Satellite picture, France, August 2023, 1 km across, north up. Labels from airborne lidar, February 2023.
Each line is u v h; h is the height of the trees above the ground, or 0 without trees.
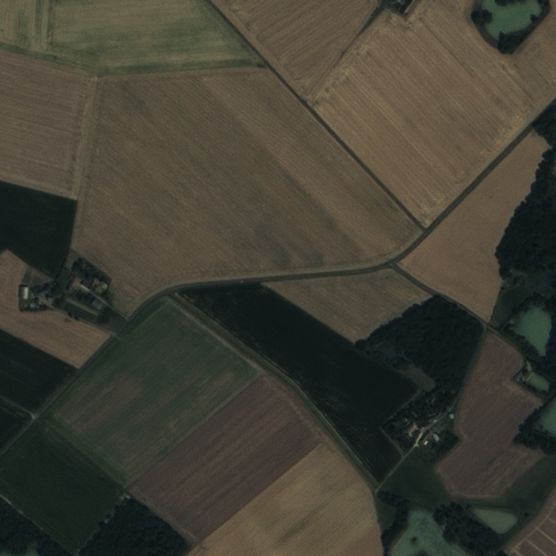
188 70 0
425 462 0
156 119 0
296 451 0
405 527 15
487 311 0
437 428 0
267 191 0
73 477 0
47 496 0
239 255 0
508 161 0
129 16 0
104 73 0
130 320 0
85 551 13
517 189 0
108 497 0
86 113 0
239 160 0
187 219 0
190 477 0
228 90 0
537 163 0
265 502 0
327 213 0
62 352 0
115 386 0
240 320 0
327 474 0
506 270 13
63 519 0
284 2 0
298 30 0
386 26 0
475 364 0
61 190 0
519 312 11
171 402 0
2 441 0
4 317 0
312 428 0
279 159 0
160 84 0
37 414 0
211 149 0
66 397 0
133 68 0
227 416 0
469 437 0
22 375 0
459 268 0
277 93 0
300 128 0
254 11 0
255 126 0
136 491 0
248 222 0
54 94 0
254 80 0
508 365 0
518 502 0
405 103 0
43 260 0
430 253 0
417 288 0
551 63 0
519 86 0
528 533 0
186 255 0
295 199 0
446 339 19
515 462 0
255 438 0
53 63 0
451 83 0
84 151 0
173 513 0
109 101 0
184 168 0
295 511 0
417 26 0
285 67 0
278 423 0
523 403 0
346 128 0
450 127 0
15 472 0
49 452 0
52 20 0
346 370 0
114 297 0
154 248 0
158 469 0
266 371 0
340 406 0
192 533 0
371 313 0
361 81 0
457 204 0
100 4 0
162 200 0
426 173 0
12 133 0
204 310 0
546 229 22
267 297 0
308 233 0
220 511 0
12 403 0
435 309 16
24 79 0
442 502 0
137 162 0
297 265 0
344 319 0
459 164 0
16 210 0
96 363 0
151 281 0
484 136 0
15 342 0
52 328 0
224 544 0
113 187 0
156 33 0
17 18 0
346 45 0
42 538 15
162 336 0
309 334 0
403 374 0
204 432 0
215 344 0
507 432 0
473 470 0
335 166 0
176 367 0
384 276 0
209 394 0
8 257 0
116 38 0
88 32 0
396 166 0
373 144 0
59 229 0
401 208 0
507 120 0
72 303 0
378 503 0
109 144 0
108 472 0
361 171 0
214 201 0
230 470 0
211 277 0
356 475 0
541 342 0
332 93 0
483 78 0
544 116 10
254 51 0
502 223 0
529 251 8
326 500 0
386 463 0
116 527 19
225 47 0
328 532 0
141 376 0
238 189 0
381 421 0
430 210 0
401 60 0
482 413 0
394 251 0
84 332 0
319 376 0
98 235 0
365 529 0
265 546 0
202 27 0
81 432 0
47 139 0
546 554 0
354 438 0
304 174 0
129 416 0
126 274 0
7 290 0
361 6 0
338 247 0
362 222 0
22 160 0
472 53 0
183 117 0
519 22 0
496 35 0
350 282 0
